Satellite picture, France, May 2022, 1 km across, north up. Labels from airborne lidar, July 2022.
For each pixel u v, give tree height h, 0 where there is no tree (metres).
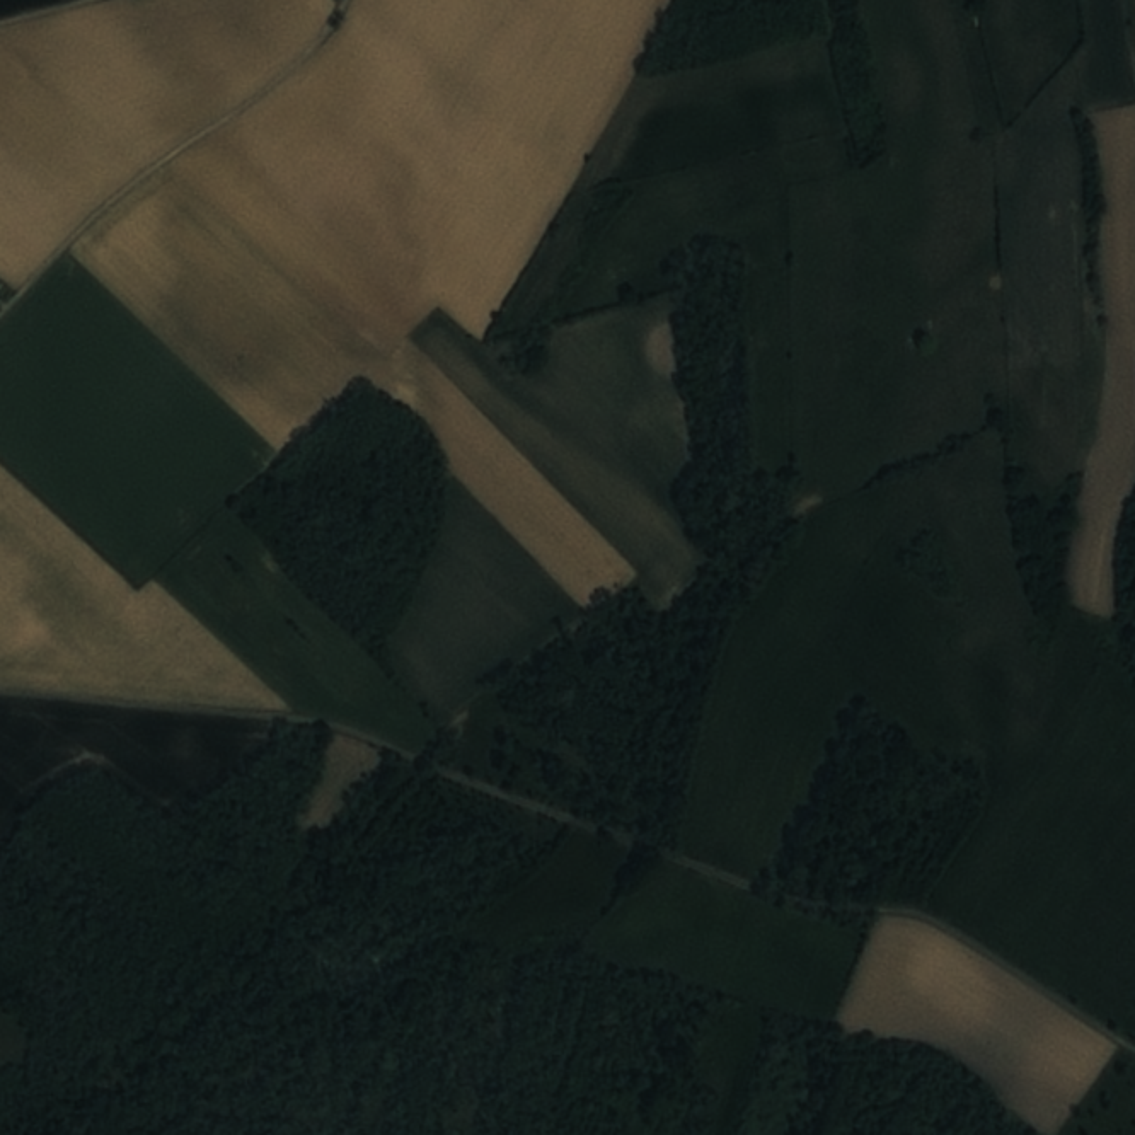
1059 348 0
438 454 20
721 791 0
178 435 0
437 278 0
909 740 23
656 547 0
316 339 0
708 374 23
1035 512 19
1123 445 0
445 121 0
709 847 0
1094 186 12
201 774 0
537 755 14
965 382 0
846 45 19
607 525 0
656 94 0
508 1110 22
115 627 0
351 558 28
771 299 0
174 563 0
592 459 0
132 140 0
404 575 17
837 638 0
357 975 9
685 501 24
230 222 0
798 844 27
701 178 0
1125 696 0
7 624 0
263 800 21
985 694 0
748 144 0
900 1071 13
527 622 0
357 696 0
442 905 24
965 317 0
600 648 13
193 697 0
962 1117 24
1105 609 0
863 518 0
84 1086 6
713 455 24
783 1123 7
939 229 0
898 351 0
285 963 27
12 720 0
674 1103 15
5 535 0
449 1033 25
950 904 0
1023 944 0
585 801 19
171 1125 19
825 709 0
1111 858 0
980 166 0
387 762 17
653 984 17
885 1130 16
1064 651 0
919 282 0
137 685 0
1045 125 0
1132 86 0
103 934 16
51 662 0
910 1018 0
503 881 6
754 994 0
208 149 0
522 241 0
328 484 14
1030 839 0
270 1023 25
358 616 13
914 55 0
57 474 0
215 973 25
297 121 0
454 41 0
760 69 0
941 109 0
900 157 0
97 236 0
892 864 9
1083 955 0
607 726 25
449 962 8
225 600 0
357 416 21
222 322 0
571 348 0
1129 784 0
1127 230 0
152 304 0
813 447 0
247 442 0
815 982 0
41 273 0
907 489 0
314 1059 25
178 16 0
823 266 0
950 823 10
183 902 20
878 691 0
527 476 0
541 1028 23
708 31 16
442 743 16
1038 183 0
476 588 0
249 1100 21
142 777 0
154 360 0
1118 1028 15
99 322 0
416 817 7
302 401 0
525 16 0
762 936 0
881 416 0
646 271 0
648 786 20
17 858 14
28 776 0
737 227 0
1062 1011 0
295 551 16
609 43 0
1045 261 0
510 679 18
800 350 0
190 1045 27
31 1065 13
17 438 0
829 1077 14
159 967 20
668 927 0
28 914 9
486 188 0
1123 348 0
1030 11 0
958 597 13
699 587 10
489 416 0
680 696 18
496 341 7
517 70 0
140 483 0
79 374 0
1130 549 16
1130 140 0
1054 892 0
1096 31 0
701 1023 15
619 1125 12
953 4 0
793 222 0
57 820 13
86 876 21
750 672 0
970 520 0
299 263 0
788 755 0
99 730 0
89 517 0
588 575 0
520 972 21
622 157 0
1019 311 0
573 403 0
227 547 0
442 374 0
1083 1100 0
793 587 0
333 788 0
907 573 15
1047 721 0
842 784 22
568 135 0
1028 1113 0
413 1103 22
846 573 0
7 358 0
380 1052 18
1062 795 0
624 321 0
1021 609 0
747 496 23
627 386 0
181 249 0
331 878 24
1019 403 0
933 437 0
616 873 0
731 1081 0
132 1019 23
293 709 0
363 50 0
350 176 0
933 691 0
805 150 0
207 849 21
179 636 0
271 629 0
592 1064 18
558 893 0
